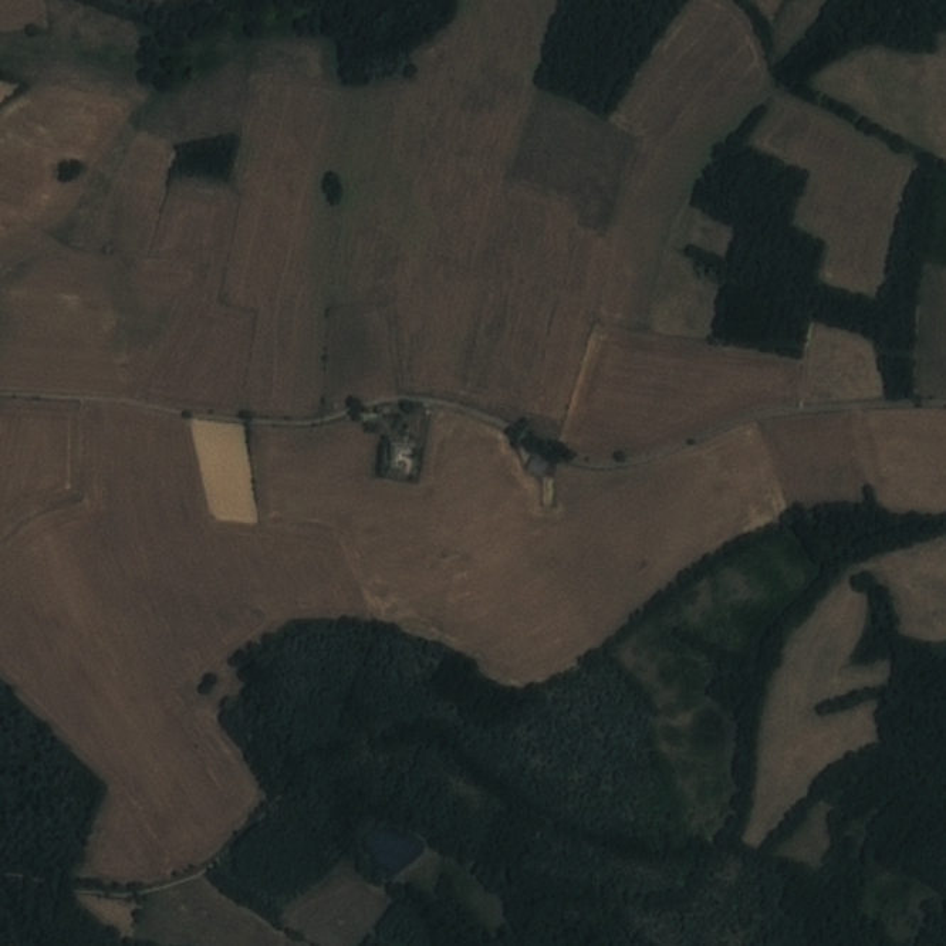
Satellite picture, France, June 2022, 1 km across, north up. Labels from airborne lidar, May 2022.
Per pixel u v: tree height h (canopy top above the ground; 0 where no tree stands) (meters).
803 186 12
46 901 17
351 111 0
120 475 0
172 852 0
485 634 0
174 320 0
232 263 0
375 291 0
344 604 0
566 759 7
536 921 21
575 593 0
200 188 0
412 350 0
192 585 0
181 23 20
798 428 0
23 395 0
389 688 16
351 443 0
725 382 0
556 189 0
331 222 0
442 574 0
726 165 17
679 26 0
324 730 18
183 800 0
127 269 0
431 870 0
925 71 0
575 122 0
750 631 6
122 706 0
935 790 21
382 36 19
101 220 0
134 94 0
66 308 0
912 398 10
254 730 14
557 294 0
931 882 15
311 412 0
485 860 12
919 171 8
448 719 8
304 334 0
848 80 0
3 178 0
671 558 0
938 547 0
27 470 0
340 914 0
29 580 0
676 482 0
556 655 0
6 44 0
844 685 0
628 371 0
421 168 0
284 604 0
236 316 0
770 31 10
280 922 7
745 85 0
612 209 0
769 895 15
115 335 0
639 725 11
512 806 14
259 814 9
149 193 0
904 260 17
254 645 13
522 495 0
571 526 0
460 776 8
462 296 0
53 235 0
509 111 0
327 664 16
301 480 0
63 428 0
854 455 0
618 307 0
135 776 0
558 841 9
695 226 0
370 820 11
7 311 0
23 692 0
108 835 0
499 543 0
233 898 13
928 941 22
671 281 0
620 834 13
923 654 9
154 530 0
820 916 17
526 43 0
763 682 16
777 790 0
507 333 0
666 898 15
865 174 0
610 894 15
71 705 0
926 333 0
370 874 10
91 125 0
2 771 11
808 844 0
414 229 0
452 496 0
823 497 0
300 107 0
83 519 0
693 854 11
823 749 0
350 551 0
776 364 0
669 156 0
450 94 0
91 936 14
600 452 0
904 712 23
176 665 0
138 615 0
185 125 0
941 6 17
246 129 0
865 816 16
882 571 0
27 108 0
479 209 0
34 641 0
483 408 0
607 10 17
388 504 0
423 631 0
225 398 0
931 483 0
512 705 12
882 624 24
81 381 0
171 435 0
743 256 16
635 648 0
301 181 0
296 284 0
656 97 0
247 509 0
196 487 0
